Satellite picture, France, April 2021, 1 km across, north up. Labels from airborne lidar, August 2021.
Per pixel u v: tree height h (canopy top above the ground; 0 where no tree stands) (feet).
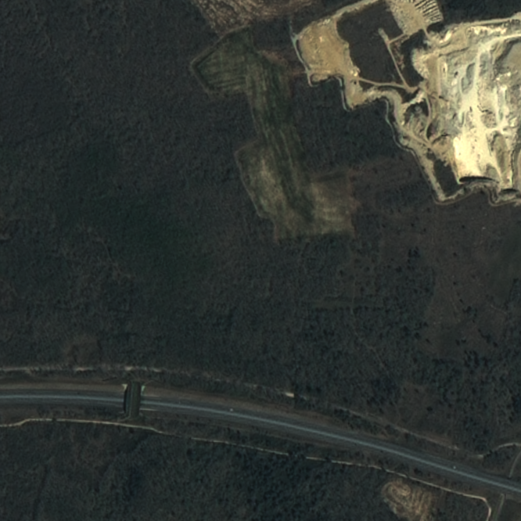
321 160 52
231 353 60
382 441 0
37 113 27
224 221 45
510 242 0
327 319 48
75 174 41
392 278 27
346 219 0
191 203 62
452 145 0
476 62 0
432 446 28
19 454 20
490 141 0
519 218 0
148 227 52
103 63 36
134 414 0
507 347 20
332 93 45
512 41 0
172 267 52
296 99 48
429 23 0
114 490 44
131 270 43
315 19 47
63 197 51
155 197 49
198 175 47
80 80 34
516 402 46
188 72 40
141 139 42
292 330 44
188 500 41
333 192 0
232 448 38
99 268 33
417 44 23
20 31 26
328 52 0
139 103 48
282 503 42
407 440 36
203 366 61
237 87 0
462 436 20
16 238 50
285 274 46
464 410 25
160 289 41
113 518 41
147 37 26
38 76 31
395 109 0
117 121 29
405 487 0
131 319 57
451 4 18
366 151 60
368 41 0
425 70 0
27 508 31
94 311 60
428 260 0
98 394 0
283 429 0
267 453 27
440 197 0
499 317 0
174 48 29
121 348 26
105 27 32
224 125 32
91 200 58
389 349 47
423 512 0
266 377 60
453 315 0
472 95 0
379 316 46
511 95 0
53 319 58
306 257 40
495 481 0
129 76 28
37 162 47
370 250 34
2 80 20
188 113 38
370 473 50
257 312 53
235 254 37
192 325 64
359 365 47
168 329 60
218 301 45
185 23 36
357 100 0
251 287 34
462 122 0
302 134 46
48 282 35
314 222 0
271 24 39
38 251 36
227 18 0
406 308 47
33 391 0
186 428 36
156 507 54
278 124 0
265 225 46
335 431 0
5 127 33
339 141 52
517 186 0
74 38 28
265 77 0
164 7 31
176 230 57
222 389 55
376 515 39
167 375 40
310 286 49
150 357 37
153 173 43
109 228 41
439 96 0
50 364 38
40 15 31
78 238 31
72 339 55
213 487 26
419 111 0
